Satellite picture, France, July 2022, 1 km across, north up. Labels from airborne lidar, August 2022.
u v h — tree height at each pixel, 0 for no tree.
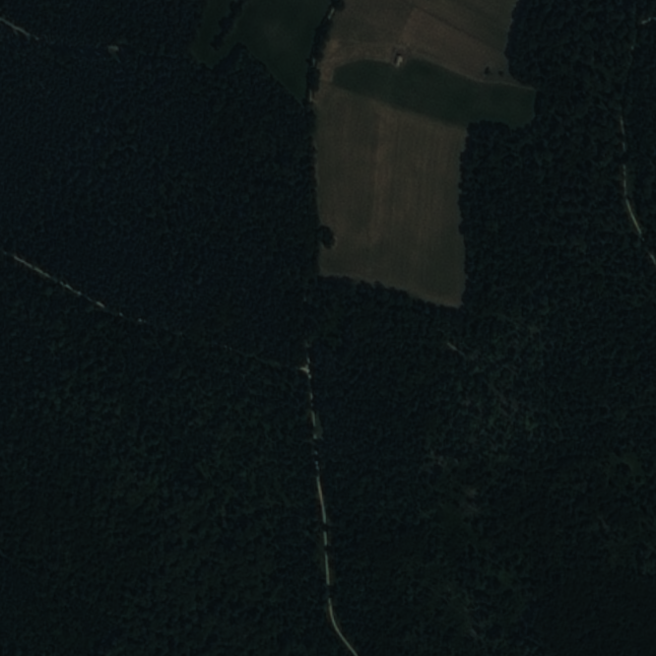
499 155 21
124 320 7
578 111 26
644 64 17
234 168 25
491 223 19
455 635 12
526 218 17
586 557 15
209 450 23
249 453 10
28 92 27
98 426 8
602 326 10
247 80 21
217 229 17
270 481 7
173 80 26
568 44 6
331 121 0
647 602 12
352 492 8
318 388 22
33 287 13
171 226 23
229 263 25
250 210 27
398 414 18
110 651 25
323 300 16
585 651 17
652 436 14
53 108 27
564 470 15
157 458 7
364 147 0
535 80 21
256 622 22
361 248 0
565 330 11
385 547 18
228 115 21
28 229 26
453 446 12
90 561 16
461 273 0
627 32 29
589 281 9
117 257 25
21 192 27
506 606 14
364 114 0
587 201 27
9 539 13
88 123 12
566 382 15
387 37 0
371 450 20
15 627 12
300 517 26
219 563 23
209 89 23
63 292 10
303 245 17
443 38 0
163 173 31
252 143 18
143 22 25
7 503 14
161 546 21
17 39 29
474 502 18
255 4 0
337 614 9
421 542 13
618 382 16
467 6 0
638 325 18
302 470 7
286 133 23
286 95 21
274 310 22
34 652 7
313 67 12
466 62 0
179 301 26
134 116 27
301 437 11
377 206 0
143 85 19
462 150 0
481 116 0
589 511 19
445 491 14
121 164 30
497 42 0
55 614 13
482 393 7
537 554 12
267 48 0
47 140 24
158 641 24
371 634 14
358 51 0
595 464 11
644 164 12
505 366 30
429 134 0
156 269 24
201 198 9
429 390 15
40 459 10
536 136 7
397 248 0
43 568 17
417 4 0
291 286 19
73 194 24
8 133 28
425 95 0
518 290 14
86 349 11
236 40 0
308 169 19
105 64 27
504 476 7
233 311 26
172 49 26
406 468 14
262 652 25
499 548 18
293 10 0
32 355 11
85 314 13
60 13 22
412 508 10
